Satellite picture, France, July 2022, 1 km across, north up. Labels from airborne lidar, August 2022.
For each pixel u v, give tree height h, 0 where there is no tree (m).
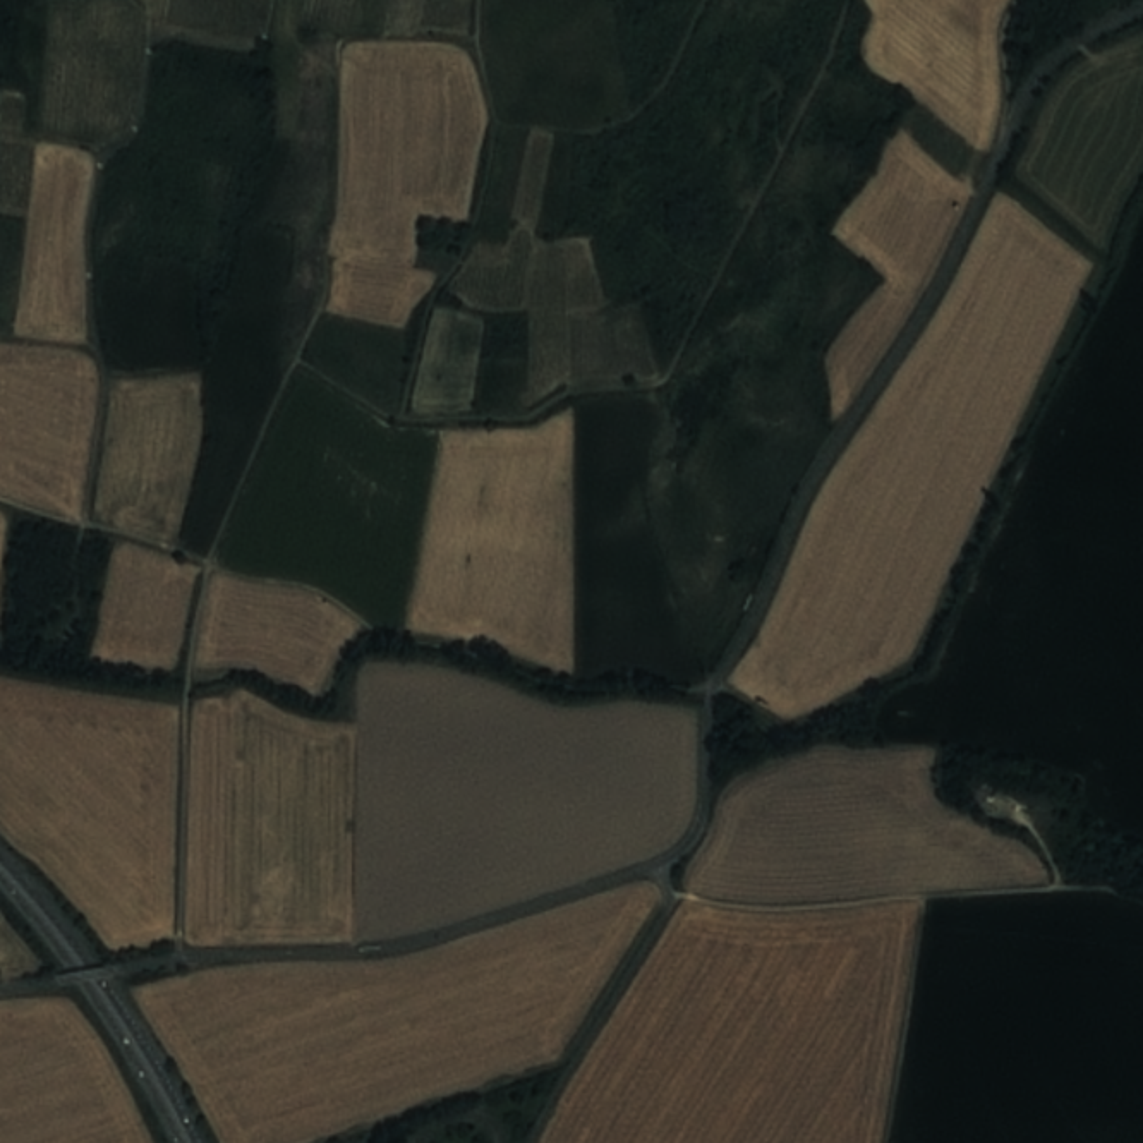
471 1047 0
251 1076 0
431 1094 0
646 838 0
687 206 12
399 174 0
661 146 9
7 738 0
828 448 0
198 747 0
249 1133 0
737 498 0
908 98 10
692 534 0
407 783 0
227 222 9
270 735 0
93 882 0
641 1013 0
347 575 0
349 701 0
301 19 0
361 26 0
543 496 0
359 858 0
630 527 0
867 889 0
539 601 0
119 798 0
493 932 0
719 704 18
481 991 0
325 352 0
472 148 0
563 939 0
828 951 0
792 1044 0
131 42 0
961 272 0
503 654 22
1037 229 0
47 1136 0
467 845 0
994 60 0
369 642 9
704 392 7
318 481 0
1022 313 0
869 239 0
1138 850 17
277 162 0
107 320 0
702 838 0
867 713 13
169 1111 0
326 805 0
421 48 0
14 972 0
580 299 0
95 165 0
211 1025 0
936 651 10
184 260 6
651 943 0
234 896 0
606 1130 0
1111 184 0
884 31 0
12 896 0
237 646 0
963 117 0
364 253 0
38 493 0
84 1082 0
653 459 0
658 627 0
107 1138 0
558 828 0
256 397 0
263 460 0
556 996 0
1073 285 0
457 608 0
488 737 0
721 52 8
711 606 0
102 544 5
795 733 20
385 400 0
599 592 0
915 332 0
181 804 0
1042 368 0
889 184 0
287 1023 0
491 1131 0
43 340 0
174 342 0
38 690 0
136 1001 0
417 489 0
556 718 0
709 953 0
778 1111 0
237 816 0
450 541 0
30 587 13
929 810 0
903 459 0
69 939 0
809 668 0
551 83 0
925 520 0
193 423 0
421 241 12
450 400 0
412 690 0
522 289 0
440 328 0
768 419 0
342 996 0
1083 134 0
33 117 0
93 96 0
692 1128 0
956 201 0
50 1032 0
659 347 0
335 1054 0
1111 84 0
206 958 0
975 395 0
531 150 0
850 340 0
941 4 0
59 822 0
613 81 0
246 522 0
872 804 0
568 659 0
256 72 13
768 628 0
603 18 0
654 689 24
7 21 8
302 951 0
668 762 0
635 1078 0
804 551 0
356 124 0
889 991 0
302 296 0
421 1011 0
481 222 0
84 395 0
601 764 0
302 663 0
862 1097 0
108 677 22
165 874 0
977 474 0
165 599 0
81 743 0
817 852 0
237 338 0
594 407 0
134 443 0
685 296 8
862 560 0
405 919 0
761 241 0
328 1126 0
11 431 0
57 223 0
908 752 0
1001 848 0
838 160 8
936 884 0
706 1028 0
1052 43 12
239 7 0
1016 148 13
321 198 0
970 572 13
